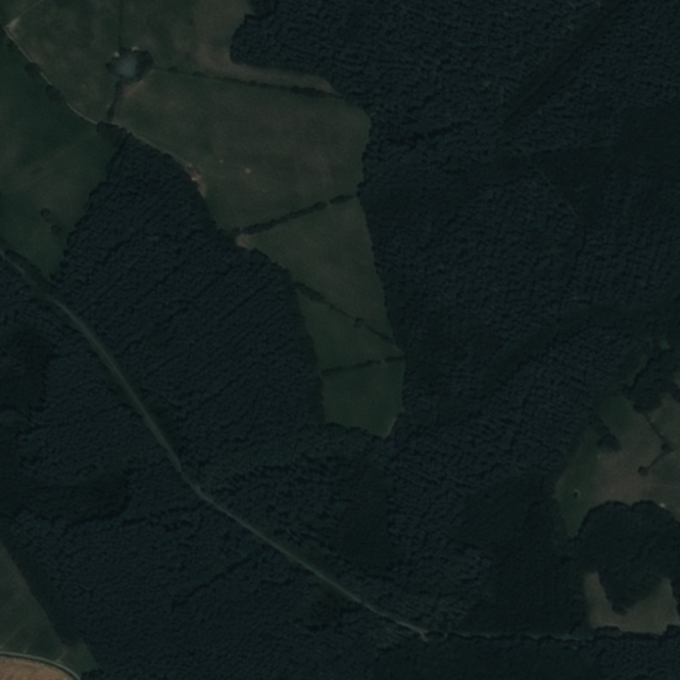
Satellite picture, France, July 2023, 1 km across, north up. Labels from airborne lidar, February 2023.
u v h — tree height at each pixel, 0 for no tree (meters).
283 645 28
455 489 20
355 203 0
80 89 0
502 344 16
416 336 22
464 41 26
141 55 8
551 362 23
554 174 15
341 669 20
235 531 30
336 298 0
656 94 27
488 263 26
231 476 27
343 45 19
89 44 0
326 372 7
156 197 24
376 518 8
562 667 24
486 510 11
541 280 21
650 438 0
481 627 11
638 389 16
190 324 29
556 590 9
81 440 38
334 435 22
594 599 0
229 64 0
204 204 13
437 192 18
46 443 40
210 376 29
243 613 35
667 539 23
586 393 22
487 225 16
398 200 22
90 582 36
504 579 13
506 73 26
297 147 0
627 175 18
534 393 20
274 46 23
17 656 0
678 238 24
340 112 0
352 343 0
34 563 21
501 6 26
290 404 31
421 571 27
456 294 28
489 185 21
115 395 29
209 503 8
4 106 0
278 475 34
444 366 13
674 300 17
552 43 26
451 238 25
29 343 12
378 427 0
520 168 23
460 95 35
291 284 18
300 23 24
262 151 0
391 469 8
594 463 0
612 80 29
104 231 32
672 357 18
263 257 21
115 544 38
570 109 22
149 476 35
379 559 8
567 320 18
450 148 31
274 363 33
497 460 25
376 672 23
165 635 34
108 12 0
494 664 24
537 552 9
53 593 17
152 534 31
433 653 25
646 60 17
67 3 0
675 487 0
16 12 0
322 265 0
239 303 30
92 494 11
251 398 28
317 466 36
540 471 27
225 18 0
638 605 0
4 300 34
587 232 6
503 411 24
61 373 34
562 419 26
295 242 0
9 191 0
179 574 34
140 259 31
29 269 19
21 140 0
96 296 28
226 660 30
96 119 0
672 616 0
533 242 15
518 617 9
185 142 0
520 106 12
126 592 37
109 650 29
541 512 8
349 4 28
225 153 0
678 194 20
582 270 23
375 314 0
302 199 0
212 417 28
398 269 22
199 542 32
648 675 30
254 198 0
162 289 32
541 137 29
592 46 17
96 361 31
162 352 31
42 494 12
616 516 21
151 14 0
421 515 23
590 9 28
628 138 15
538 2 26
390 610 31
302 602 28
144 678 33
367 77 26
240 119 0
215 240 19
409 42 22
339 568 19
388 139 35
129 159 25
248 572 30
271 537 0
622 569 23
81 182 0
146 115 0
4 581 0
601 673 24
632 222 18
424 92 25
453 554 34
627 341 26
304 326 21
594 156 18
